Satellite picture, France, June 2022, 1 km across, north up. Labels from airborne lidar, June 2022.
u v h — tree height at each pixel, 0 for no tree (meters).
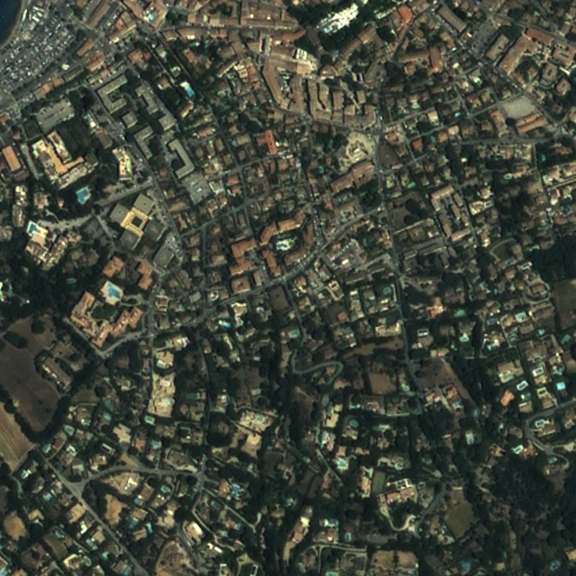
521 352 6
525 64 8
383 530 13
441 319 14
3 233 0
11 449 0
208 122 6
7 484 9
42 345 0
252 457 13
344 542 7
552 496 8
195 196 0
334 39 17
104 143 0
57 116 0
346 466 0
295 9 19
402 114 7
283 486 7
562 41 0
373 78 0
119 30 0
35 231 0
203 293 8
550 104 11
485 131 8
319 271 0
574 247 15
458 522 0
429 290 0
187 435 11
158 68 7
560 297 0
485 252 9
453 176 9
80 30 6
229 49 0
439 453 10
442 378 0
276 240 13
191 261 13
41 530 12
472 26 6
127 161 0
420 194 7
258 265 10
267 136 0
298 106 0
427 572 16
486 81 11
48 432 10
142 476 7
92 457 11
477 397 11
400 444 17
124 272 0
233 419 10
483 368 12
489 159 8
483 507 7
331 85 8
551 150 7
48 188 7
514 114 0
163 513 11
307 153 8
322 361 13
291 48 0
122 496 13
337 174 12
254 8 0
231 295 7
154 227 0
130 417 12
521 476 11
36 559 10
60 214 8
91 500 12
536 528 6
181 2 0
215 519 13
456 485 0
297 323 6
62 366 9
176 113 14
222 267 6
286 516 7
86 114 0
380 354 13
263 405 9
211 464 10
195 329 11
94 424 7
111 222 10
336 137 10
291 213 6
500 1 0
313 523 8
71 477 11
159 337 10
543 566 13
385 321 0
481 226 11
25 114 11
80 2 0
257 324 13
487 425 11
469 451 8
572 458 8
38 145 0
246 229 0
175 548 0
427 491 0
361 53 7
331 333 11
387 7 11
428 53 0
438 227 8
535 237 7
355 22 14
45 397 0
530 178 6
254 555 7
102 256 10
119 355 12
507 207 9
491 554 13
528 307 10
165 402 0
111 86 0
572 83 12
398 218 0
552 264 12
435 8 0
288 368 8
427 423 15
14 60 0
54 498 6
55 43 0
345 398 7
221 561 11
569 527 9
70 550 12
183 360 6
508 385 5
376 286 5
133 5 0
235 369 11
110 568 11
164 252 0
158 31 0
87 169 14
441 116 6
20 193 0
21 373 0
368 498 10
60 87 11
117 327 0
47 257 0
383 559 0
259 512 6
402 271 11
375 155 0
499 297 16
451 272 9
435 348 6
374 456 14
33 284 9
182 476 13
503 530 7
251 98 0
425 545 11
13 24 0
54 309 6
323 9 18
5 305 8
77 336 16
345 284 10
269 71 0
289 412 6
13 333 15
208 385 7
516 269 6
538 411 6
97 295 10
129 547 11
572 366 0
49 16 0
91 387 7
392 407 0
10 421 0
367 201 15
